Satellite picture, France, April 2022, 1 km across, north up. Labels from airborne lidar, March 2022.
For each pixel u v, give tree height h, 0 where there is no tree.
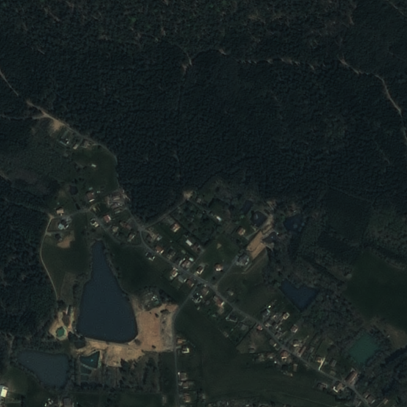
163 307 0
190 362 0
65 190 0
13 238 27
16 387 0
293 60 16
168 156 27
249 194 20
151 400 0
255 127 12
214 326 0
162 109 24
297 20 20
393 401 0
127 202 14
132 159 26
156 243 6
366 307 0
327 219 15
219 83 24
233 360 0
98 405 0
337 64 29
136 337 0
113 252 0
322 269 13
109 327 0
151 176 28
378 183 21
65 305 22
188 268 0
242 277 0
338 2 20
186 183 26
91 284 0
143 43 24
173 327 0
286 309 0
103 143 16
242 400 0
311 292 0
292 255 15
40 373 0
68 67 21
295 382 0
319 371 0
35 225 22
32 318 19
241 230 0
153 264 0
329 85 20
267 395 0
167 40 18
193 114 24
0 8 21
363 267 0
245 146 28
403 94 12
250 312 0
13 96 21
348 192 17
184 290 0
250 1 18
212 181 32
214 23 22
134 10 22
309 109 12
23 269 12
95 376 0
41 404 0
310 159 9
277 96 14
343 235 10
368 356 0
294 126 13
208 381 0
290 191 25
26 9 27
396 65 14
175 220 6
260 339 0
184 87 18
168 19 21
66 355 0
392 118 17
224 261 0
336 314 19
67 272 0
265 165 21
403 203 21
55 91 11
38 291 17
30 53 12
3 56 11
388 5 11
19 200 21
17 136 11
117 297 0
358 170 12
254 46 22
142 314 0
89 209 0
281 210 19
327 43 22
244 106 16
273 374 0
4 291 17
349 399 8
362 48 13
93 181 0
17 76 11
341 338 6
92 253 0
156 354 0
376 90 12
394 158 15
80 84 22
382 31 13
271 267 17
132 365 0
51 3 28
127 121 25
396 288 0
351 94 17
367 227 13
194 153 27
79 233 0
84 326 0
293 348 15
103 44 17
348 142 20
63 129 0
